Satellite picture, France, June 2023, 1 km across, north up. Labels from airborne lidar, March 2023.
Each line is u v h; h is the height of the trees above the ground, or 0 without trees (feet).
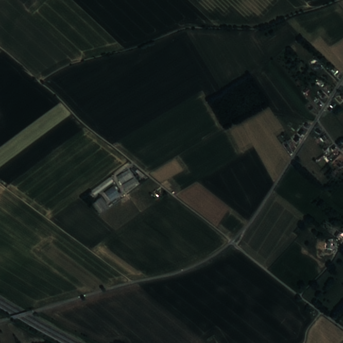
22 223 0
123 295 0
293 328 0
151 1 0
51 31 0
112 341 0
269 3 0
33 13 0
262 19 0
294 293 0
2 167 0
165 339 0
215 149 0
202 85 0
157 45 0
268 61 0
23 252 0
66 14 0
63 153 0
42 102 0
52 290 0
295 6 0
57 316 0
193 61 0
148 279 0
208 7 0
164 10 0
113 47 0
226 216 0
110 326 0
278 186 0
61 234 0
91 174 0
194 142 0
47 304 0
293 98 0
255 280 0
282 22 26
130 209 0
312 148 0
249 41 0
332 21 0
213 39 0
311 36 0
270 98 0
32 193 0
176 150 0
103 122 0
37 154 0
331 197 0
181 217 0
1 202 0
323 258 0
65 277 0
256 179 0
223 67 0
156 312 0
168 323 0
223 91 56
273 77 0
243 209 0
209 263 0
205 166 0
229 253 0
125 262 0
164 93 0
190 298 0
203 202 0
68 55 0
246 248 0
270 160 0
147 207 0
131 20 0
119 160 0
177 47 0
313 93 0
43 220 0
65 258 0
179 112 0
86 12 0
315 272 0
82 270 0
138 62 0
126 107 0
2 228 0
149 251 0
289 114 0
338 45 0
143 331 0
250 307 0
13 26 0
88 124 0
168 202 0
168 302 0
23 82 0
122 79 0
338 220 29
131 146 0
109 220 0
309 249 0
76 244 0
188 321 0
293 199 0
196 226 0
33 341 0
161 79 0
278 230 0
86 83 0
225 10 0
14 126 0
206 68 0
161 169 0
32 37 0
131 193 0
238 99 58
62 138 0
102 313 0
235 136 0
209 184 0
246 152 0
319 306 69
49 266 0
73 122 0
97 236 0
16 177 0
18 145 0
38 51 0
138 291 0
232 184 0
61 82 0
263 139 0
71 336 0
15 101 0
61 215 0
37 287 0
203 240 0
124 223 0
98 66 0
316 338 0
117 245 0
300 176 0
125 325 0
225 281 0
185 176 0
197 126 0
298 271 0
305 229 0
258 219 0
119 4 0
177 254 0
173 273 0
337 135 0
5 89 0
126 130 0
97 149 0
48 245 0
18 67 0
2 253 0
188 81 0
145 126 0
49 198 0
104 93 0
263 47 0
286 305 0
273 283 0
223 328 0
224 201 0
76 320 0
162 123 0
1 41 0
